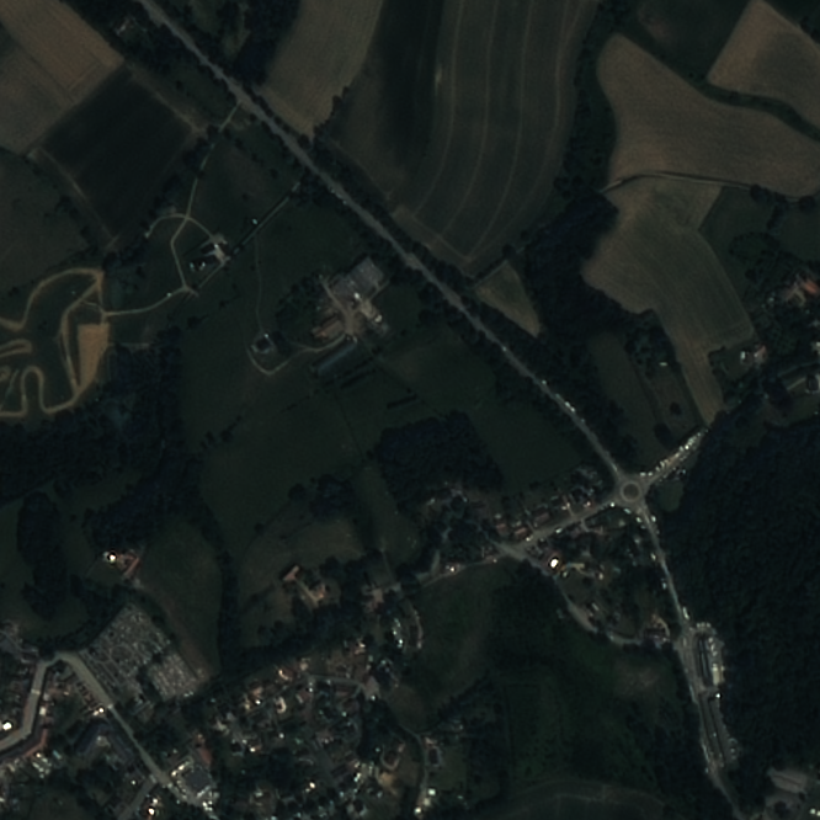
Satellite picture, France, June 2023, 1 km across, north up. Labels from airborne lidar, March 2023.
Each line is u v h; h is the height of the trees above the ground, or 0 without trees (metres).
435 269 12
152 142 0
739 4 0
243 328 0
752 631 19
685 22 0
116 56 0
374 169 0
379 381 0
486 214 0
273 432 0
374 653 9
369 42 0
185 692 0
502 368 23
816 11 0
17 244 0
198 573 0
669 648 16
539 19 0
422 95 0
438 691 0
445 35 0
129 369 20
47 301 0
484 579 0
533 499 0
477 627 0
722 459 19
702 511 29
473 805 6
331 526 0
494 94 0
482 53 0
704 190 0
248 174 0
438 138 0
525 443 0
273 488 0
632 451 23
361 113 0
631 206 0
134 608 0
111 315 0
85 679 0
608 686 0
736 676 23
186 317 0
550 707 0
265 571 0
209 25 0
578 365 18
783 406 16
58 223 0
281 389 0
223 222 0
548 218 0
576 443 18
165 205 14
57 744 9
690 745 20
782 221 9
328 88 0
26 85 0
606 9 9
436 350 0
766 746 16
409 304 0
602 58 0
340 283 0
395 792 0
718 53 0
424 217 0
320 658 0
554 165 0
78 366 0
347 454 0
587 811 0
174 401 17
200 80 0
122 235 0
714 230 0
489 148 0
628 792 0
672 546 24
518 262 0
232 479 0
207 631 0
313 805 12
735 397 13
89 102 0
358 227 11
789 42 0
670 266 0
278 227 0
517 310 0
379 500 0
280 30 16
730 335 0
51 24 0
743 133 0
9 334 0
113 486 0
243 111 0
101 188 0
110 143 0
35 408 0
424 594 0
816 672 18
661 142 0
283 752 12
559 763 0
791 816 0
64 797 0
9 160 0
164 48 17
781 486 23
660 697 0
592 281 0
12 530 0
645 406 0
